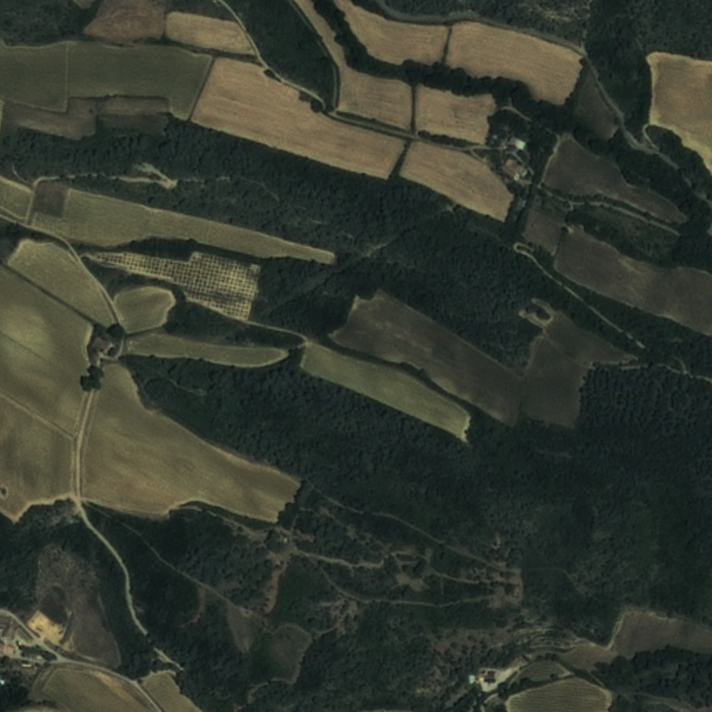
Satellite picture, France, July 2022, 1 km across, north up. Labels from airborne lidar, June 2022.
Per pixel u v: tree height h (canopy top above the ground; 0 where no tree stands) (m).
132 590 7
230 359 0
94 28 0
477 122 0
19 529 10
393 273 9
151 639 16
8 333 0
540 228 0
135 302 0
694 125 0
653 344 9
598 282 0
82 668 0
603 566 7
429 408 0
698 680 9
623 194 0
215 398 6
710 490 7
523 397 0
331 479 10
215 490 0
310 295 7
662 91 0
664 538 7
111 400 0
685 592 8
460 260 7
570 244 0
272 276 6
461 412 0
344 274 14
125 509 0
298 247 0
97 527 6
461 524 11
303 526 8
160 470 0
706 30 7
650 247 7
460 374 0
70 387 0
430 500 8
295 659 0
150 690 0
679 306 0
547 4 11
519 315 7
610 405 9
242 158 12
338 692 6
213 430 7
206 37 0
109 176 9
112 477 0
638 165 10
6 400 0
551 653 7
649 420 14
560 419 0
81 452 0
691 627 0
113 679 0
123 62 0
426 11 13
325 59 13
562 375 0
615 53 9
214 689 8
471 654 8
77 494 0
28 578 14
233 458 0
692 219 9
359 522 7
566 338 0
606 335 11
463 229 7
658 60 0
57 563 0
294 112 0
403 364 8
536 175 7
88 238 0
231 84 0
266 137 0
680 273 0
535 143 9
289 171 6
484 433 10
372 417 18
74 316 0
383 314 0
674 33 6
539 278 7
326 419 10
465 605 7
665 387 12
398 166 5
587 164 0
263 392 13
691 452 8
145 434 0
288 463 12
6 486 0
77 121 0
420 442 15
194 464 0
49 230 0
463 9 12
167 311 0
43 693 0
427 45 0
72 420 0
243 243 0
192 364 9
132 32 0
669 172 8
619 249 6
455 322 8
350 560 6
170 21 0
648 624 0
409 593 12
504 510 8
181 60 0
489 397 0
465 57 0
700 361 15
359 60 22
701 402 12
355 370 0
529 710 0
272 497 0
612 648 0
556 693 0
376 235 12
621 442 12
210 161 12
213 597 0
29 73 0
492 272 14
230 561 14
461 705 13
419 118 0
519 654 11
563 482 5
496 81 7
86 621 0
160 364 8
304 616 7
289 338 6
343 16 8
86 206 0
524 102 19
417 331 0
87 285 0
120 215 0
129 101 0
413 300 12
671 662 8
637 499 7
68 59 0
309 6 0
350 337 0
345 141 0
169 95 0
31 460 0
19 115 0
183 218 0
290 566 8
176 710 0
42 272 0
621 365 9
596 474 7
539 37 0
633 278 0
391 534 14
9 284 0
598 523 15
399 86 0
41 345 0
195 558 17
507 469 7
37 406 0
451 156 0
